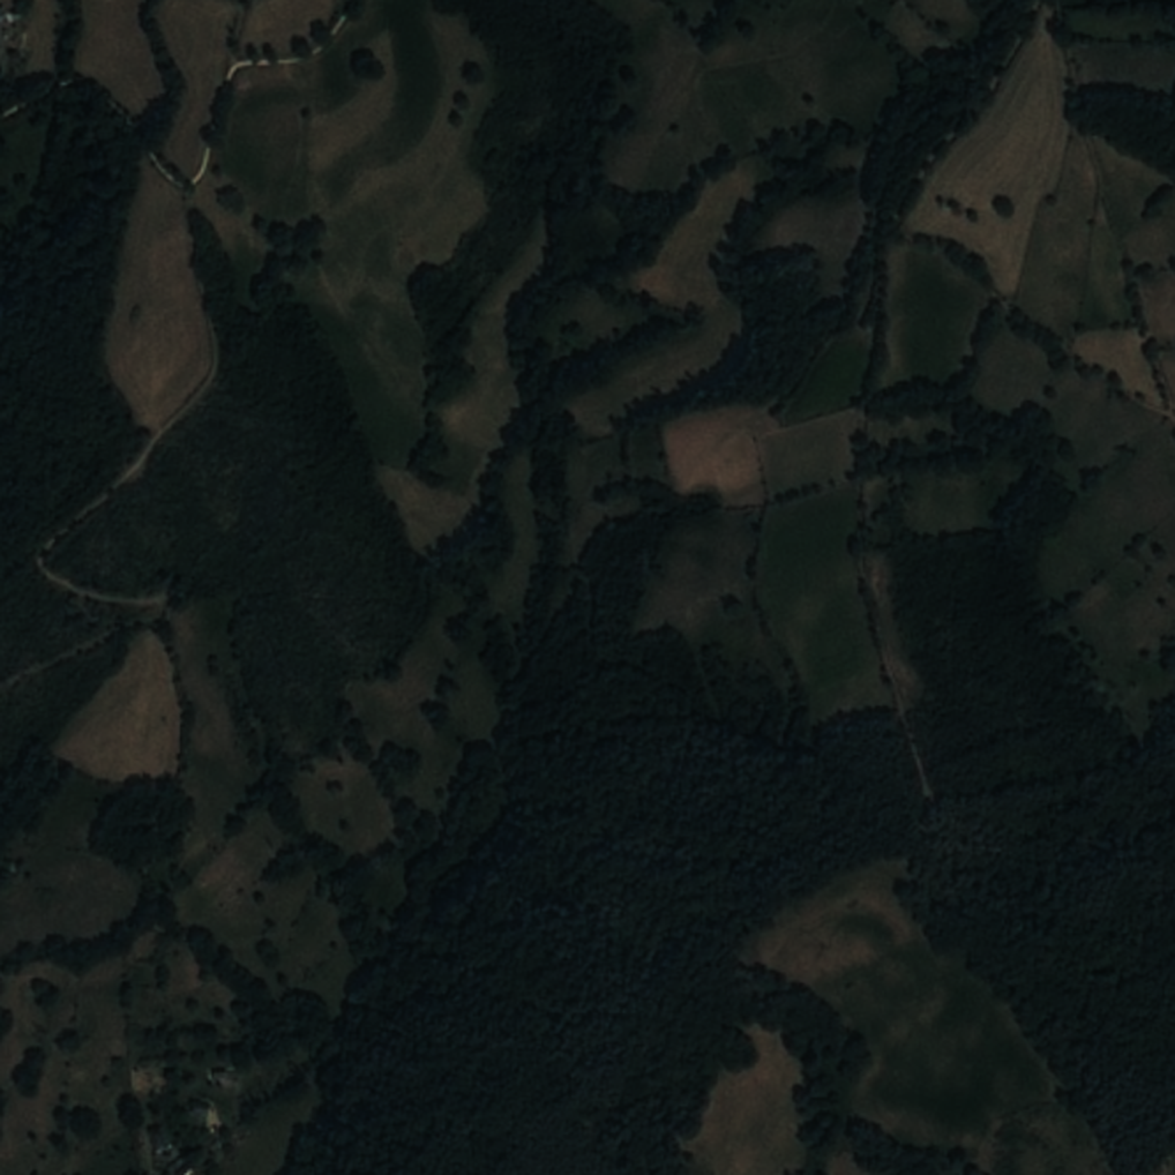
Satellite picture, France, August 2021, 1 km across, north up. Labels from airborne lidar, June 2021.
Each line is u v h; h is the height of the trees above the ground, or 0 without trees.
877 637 10
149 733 0
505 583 0
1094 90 13
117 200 22
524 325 24
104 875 0
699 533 0
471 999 25
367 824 0
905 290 0
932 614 10
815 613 0
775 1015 25
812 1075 18
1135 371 0
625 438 10
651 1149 23
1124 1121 20
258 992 20
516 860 24
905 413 22
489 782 25
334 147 0
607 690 20
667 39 0
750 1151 0
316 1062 14
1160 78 0
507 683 17
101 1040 0
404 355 0
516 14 12
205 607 0
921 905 17
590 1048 7
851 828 18
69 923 0
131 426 9
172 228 0
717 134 0
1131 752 19
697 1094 14
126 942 16
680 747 21
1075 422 0
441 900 8
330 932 0
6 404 17
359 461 12
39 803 18
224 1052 12
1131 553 9
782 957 0
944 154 10
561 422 20
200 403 0
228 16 0
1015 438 22
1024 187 0
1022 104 0
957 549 11
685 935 15
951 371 0
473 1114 18
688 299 0
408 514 0
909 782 7
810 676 0
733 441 0
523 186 11
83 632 12
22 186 16
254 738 12
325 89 0
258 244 0
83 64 0
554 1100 12
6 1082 0
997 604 12
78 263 20
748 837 24
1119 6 14
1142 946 22
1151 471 0
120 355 0
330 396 9
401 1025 26
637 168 0
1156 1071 21
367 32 0
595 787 21
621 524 14
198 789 0
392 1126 22
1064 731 16
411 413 0
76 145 12
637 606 8
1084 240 0
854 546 12
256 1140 0
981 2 16
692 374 0
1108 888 24
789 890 16
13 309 22
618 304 12
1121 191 0
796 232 0
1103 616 0
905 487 10
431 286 21
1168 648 9
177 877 11
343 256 0
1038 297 0
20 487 24
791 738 10
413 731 0
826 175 11
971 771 12
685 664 14
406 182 0
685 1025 17
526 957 23
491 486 16
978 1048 0
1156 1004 22
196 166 0
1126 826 26
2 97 19
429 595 11
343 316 0
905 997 0
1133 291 9
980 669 7
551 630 9
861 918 0
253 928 0
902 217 12
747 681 8
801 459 0
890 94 0
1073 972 22
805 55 0
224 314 16
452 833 17
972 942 21
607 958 16
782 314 24
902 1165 22
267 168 0
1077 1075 16
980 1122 0
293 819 22
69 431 23
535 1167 18
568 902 9
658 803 18
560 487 11
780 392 18
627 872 21
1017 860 19
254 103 0
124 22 0
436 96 0
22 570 18
